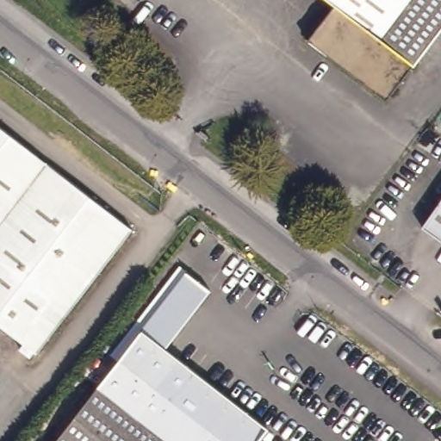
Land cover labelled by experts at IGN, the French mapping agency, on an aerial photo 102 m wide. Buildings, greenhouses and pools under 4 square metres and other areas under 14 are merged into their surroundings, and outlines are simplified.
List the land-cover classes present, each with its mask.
<instances>
[{"label":"impervious surface","instance_id":"1","mask_svg":"<svg viewBox=\"0 0 441 441\"><path fill-rule=\"evenodd\" d=\"M117 5H124L136 17V21L145 22L150 33L153 40L160 43L165 57L172 60L184 86L179 112L169 121L146 119L115 88L109 84L96 83L93 79L95 67L91 65L88 55L84 52L12 0H0V55L33 79L34 83L40 84L43 90L57 96L72 114L78 115V119L88 124L93 131L102 134L105 140L119 146L122 152H126L141 167H145L146 172L155 179V193L162 188L169 189V200L165 207L158 214H148L140 205L119 193L112 186V177L95 167L90 158L84 157L83 153L74 148L71 141L64 140L57 133H41L40 129L31 124L26 117L17 114L16 110L0 100V129L129 229L127 238L122 241L117 252L103 265L100 274L74 303L69 314L65 315L36 355L24 357L21 353V343L0 329V441H17L19 434L31 424L34 415L40 412L41 407L55 394L60 382L69 376L72 367L84 357L86 351L90 350L115 312L127 300V295L133 291L134 286L145 283V279L150 277L146 265L152 264L160 248L171 238L176 229L177 217L186 210L200 207L208 217H212L220 226L226 227L229 233L246 243V250H255L286 276L284 288L279 284L272 288V277L269 274L264 276V272L257 269L255 258H246V253L239 252L224 241L222 236L212 233L203 222H198L188 241L172 255V258L174 262L183 260L184 264L200 272L205 277L203 286L208 289L207 300L203 301L196 314L183 327V331L179 332V336L169 346V353L184 363L188 369L193 370L196 376L202 377L203 381H207L219 393L224 394L236 407L257 420L258 424L265 425L274 438L272 441H441V413L434 412V407H425L424 398L417 396L405 384L396 381V377L389 376L386 370L381 369L379 363H372V358L363 357L362 351L351 341H343L339 346L332 345L336 332L326 324V320L314 315L312 307L319 305L334 312L336 317L348 322L355 331L370 339L381 350L389 351L394 360L405 363L407 369L412 370L420 381L432 386V389L441 396V243L422 226L425 220L429 219L432 210L441 202V40L417 67H408L401 64L400 60L389 57L384 50L379 53L372 48L365 52L360 45V38L370 28L353 21L343 10L331 7L324 0H112ZM246 102L260 103L262 109L267 110V114L270 121L276 124L279 148L288 157L289 162L295 165L296 169L317 164L334 174L345 188L353 207L369 200L372 191L379 184L384 183L386 188H391V195H382L384 202L376 203V212L370 214L365 229L358 227L357 234L353 236V243L365 255H369L370 262L376 265L382 276L369 279V276L362 269H358L357 265L348 260L343 253L332 250L322 253L303 248L293 239L288 227L277 220L276 205L265 202L253 195L252 191H248L245 186H241L239 181L222 167V160L219 157H215L202 146V141H207L205 133L208 127L214 124L212 119L241 112ZM117 363L105 353L100 360L86 365V379L60 403L53 419L47 417L43 420L41 429L45 434L36 441H59L60 434L71 425L72 419L83 410L84 403L93 396V391L103 381V377L109 374L110 369Z\"/></svg>","mask_w":441,"mask_h":441},{"label":"building","instance_id":"2","mask_svg":"<svg viewBox=\"0 0 441 441\"><path fill-rule=\"evenodd\" d=\"M331 7L343 10L353 21L370 28L360 38V45L365 52L372 48L379 53L384 50L389 57L400 60L401 64L408 67H417L441 40V0H324ZM129 229L0 129V329L21 343V353L24 357L36 355L65 315L69 314L74 303L100 274L103 265L117 252L122 241L127 238ZM441 243V202L432 210L429 219L425 220L422 226ZM208 289L203 286L188 276L183 269H176L157 293L148 303V307L141 312L138 320L129 322L126 329L115 336L105 353L117 363L110 369L109 374L103 377V381L93 391V396L84 403L83 410L72 419L71 425L60 434L59 441H272L274 438L265 425L258 424L257 420L236 407L224 394L219 393L207 381H203L202 377L196 376L193 370L188 369L184 363L169 353V346L179 336V332L183 331V327L196 314L203 301L207 300Z\"/></svg>","mask_w":441,"mask_h":441},{"label":"herbaceous vegetation","instance_id":"3","mask_svg":"<svg viewBox=\"0 0 441 441\"><path fill-rule=\"evenodd\" d=\"M84 52L83 36L79 33L81 22L83 16H93L95 12H100V17H103L115 10L122 28L127 31L141 29L150 33L145 22L136 21V17L124 5H117L112 0H12ZM0 100L16 110L17 114L26 117L31 124L40 129L41 133H57L64 140L71 141L74 148L83 153L84 157L90 158L95 167L112 177V186L119 193L140 205L148 214H158L165 207L169 200V189L162 188L155 193V179L146 172L145 167H141L126 152H122L119 146L105 140L102 134L93 131L88 124L78 119V115L72 114L57 96L43 90L40 84L34 83L33 79L0 55ZM267 114V110L262 109L260 103L246 102L241 112L212 119L214 124L208 127L205 133L207 141H202V146L215 157H219L233 148L245 127H255L252 121L255 117H265ZM391 195V188H386L384 183L379 184L372 191L369 200L353 207L351 219L345 222L348 236L341 243L336 241L332 250L343 253L348 260L357 265L358 269H362L369 276V279L382 276L376 265L370 262L369 255H365L353 243V236L357 234L358 227L365 229L370 214L376 212V203L384 202L382 195ZM198 222H203L212 233L222 236L224 241L239 252L246 253V258H255L257 269L264 272V276L269 274L272 277V288L279 284L284 288L286 276L255 250H246V243L229 233L226 227L220 226L212 217H208L200 207L186 210L177 217L176 229L171 238L160 248L152 264L146 265L150 277L153 283L152 291L157 293L176 269H183L188 276L203 286L205 277L200 272L184 264L183 260L174 262L172 258V255L188 241ZM314 315L326 320V324L336 332L332 345L339 346L343 341H351L362 351L363 357L372 358V363H379L381 369L386 370L389 376L396 377V381L405 384L417 396L424 398L425 407H434V412L441 413V396L432 389V386L420 381L412 370L407 369L405 363L394 360L389 351L381 350L370 339L355 331L348 322L336 317L334 312L319 305L312 307Z\"/></svg>","mask_w":441,"mask_h":441},{"label":"coniferous trees","instance_id":"4","mask_svg":"<svg viewBox=\"0 0 441 441\"><path fill-rule=\"evenodd\" d=\"M79 33L83 36L84 52L88 55L91 65L95 67L93 79L96 83L109 84L115 88L146 119L169 121L179 112L184 86L172 60L165 57L160 43L153 40L150 33L141 29L127 31L122 28L115 10L103 17H100V12H95L93 16H83L81 22ZM255 127H245L233 148L219 157L222 160V167L239 181L241 186H245L248 191H252L253 195L265 202L276 205L277 220L288 227L293 239L303 248L322 253L332 250L336 241L341 243L348 236L345 222L351 219L353 207L345 188L334 174L317 164L296 169L295 165L289 162L288 157L279 148L276 124L270 121L267 114L265 117H255L252 121Z\"/></svg>","mask_w":441,"mask_h":441},{"label":"brushwood","instance_id":"5","mask_svg":"<svg viewBox=\"0 0 441 441\"><path fill-rule=\"evenodd\" d=\"M153 283L150 277L145 279V283L134 286L133 291L127 295V300L115 312L90 350L86 351L84 357L72 367L69 376L60 382L55 394L41 407L40 412L34 415L31 424L19 434L17 441H36L45 434L41 429L43 420L47 417L53 419L60 403L86 379V365L100 360L105 353L115 336L126 329L129 322L138 320L141 312L148 307V303L157 293L152 291Z\"/></svg>","mask_w":441,"mask_h":441}]
</instances>
